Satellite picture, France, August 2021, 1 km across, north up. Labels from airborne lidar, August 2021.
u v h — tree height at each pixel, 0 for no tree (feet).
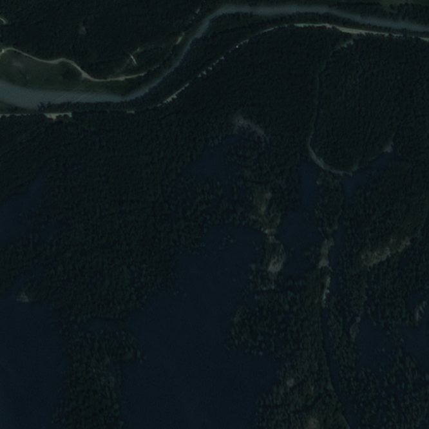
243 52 70
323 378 70
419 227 33
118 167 90
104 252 45
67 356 51
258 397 154
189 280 59
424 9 54
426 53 105
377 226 115
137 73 42
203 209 52
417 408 66
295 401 48
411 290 93
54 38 56
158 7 67
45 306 33
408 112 66
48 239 111
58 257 80
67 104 50
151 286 40
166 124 63
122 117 85
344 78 57
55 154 71
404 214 37
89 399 94
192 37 0
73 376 34
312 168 69
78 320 74
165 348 20
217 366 87
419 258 32
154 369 39
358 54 47
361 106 39
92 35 69
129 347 61
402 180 69
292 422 76
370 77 35
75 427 55
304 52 66
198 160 45
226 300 61
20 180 66
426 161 47
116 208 91
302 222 21
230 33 75
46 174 43
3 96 0
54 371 26
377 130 41
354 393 103
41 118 76
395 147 33
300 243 25
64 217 94
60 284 92
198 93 69
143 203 85
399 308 52
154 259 69
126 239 118
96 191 93
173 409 34
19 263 64
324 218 26
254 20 58
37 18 71
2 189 65
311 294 43
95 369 35
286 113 63
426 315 0
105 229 78
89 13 50
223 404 45
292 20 42
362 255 31
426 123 58
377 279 21
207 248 38
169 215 73
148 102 80
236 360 76
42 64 0
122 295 74
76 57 62
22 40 56
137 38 57
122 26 71
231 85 71
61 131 101
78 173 68
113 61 37
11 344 25
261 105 63
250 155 48
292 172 77
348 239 65
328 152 45
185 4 89
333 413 74
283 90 69
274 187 23
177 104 30
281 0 52
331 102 46
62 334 73
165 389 82
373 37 78
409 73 72
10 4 45
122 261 34
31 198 39
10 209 25
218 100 64
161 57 73
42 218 96
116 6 50
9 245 74
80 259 83
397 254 31
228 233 72
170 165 56
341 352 52
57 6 68
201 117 81
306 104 76
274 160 68
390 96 32
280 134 40
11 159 76
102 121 81
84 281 70
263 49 68
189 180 46
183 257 64
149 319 104
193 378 57
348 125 44
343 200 21
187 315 57
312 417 41
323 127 59
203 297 59
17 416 57
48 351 31
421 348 0
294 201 45
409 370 101
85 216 71
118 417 62
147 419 65
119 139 79
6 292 54
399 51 86
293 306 81
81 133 73
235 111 37
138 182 100
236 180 45
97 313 79
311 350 69
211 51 75
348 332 45
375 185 41
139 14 48
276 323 28
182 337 46
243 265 40
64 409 34
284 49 70
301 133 63
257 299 22
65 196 70
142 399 103
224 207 86
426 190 64
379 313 51
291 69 51
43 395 51
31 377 47
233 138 0
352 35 66
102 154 88
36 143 77
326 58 68
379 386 76
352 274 32
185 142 70
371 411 94
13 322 73
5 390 28
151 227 84
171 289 57
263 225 19
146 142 81
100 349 38
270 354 42
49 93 0
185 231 60
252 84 62
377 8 67
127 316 56
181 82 58
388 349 79
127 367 65
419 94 77
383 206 73
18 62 0
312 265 31
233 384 67
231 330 183
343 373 66
